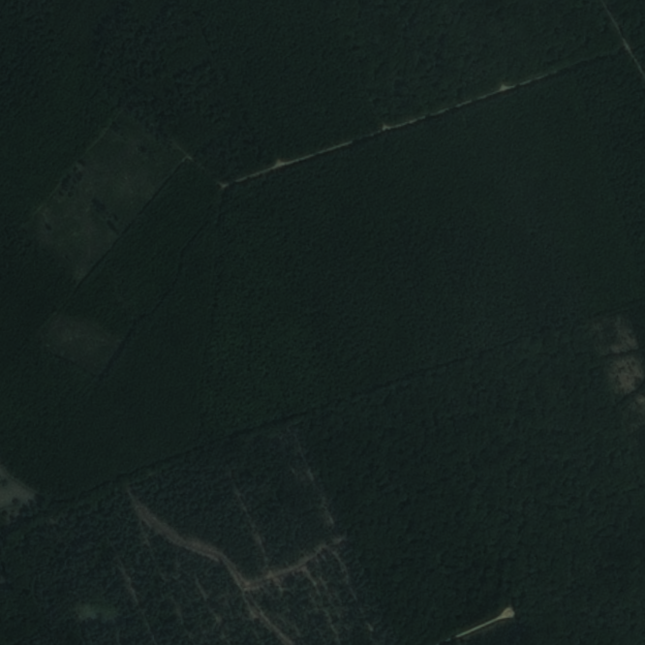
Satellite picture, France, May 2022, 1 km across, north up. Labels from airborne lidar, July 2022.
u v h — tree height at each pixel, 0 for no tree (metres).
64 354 0
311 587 20
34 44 23
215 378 12
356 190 11
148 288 8
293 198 12
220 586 22
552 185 16
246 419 12
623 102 19
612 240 15
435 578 26
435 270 15
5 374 15
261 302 14
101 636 27
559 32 23
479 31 26
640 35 27
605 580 26
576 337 25
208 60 8
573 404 26
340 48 19
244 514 6
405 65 23
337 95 20
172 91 9
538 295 16
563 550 22
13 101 18
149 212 9
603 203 15
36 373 17
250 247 12
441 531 24
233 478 11
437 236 13
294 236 12
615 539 23
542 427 23
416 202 14
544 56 23
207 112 12
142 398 15
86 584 24
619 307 8
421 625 28
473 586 25
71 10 6
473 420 27
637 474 25
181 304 15
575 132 15
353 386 11
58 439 14
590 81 19
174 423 16
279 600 13
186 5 9
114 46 19
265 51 20
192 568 21
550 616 26
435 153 16
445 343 15
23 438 12
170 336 16
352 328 13
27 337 15
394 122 17
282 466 24
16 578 29
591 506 26
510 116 15
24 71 17
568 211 16
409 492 25
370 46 26
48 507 24
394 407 25
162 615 9
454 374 25
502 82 15
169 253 9
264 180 7
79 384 15
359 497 26
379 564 28
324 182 13
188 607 21
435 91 25
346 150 12
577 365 22
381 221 14
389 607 27
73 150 14
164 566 23
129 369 15
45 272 14
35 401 16
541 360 18
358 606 25
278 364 13
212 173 10
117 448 15
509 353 29
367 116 19
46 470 15
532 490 23
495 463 28
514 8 30
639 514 24
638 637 21
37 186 14
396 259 12
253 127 17
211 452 26
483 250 14
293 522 19
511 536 29
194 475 24
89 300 9
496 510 25
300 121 20
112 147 0
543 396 26
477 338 14
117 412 16
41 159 14
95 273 10
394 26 25
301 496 26
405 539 28
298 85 19
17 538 19
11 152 14
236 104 8
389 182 14
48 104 15
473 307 14
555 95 16
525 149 15
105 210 29
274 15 18
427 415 25
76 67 15
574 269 16
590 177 14
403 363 8
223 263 14
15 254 15
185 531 23
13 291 15
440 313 15
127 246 8
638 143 22
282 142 20
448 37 24
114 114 10
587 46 23
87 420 16
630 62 19
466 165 16
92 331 0
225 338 12
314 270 12
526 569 19
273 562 19
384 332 12
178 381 15
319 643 22
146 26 7
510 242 13
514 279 13
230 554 23
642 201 22
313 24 19
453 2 25
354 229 11
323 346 15
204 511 23
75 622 20
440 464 23
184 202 9
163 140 31
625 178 20
